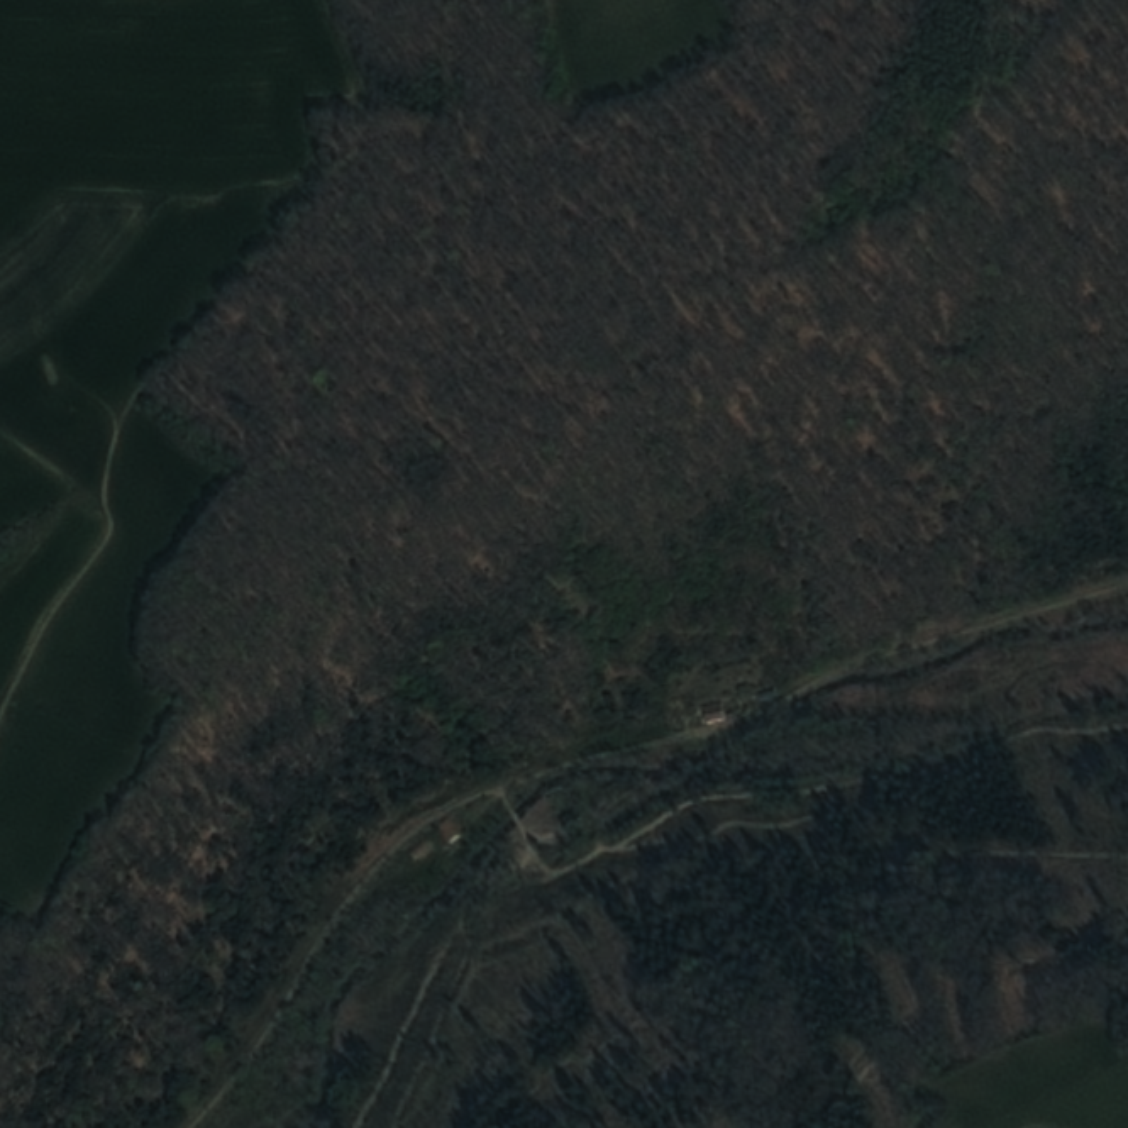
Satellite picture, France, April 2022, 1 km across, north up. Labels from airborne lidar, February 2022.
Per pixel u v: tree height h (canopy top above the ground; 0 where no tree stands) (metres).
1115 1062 0
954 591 26
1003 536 22
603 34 0
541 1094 0
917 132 25
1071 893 0
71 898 27
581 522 29
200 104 0
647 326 30
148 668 25
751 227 30
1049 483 29
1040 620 0
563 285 35
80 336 0
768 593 15
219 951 29
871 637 29
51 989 29
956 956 32
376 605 29
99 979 7
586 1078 0
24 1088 27
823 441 31
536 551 33
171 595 29
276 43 0
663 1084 0
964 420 29
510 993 0
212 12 0
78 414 0
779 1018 29
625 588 14
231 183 0
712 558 15
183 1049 35
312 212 30
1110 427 22
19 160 0
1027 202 29
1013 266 33
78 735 0
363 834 34
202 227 0
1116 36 35
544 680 32
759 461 29
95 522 0
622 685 16
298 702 26
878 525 28
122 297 0
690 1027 27
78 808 0
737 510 15
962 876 20
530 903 0
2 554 18
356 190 33
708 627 15
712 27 0
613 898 0
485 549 28
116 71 0
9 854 0
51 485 0
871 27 29
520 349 29
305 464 30
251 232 0
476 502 28
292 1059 24
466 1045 0
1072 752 0
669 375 31
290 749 31
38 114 0
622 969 0
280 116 0
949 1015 25
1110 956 33
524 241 33
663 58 0
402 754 30
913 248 32
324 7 0
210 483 0
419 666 24
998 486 26
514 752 31
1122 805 34
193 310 0
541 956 0
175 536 0
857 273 33
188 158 0
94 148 0
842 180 27
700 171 33
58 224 0
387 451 31
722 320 31
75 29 0
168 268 0
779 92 31
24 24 0
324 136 19
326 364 27
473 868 21
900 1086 28
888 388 34
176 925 31
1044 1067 0
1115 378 25
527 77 36
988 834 26
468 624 33
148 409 18
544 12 31
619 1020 0
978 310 27
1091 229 34
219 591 28
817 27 31
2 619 0
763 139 31
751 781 22
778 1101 24
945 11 33
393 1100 0
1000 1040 31
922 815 29
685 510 13
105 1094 25
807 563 29
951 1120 23
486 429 33
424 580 30
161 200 0
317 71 0
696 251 32
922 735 28
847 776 27
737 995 31
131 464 0
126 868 33
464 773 26
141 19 0
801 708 18
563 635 28
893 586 29
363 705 27
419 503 27
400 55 35
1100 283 32
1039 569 23
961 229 29
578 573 18
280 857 23
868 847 28
